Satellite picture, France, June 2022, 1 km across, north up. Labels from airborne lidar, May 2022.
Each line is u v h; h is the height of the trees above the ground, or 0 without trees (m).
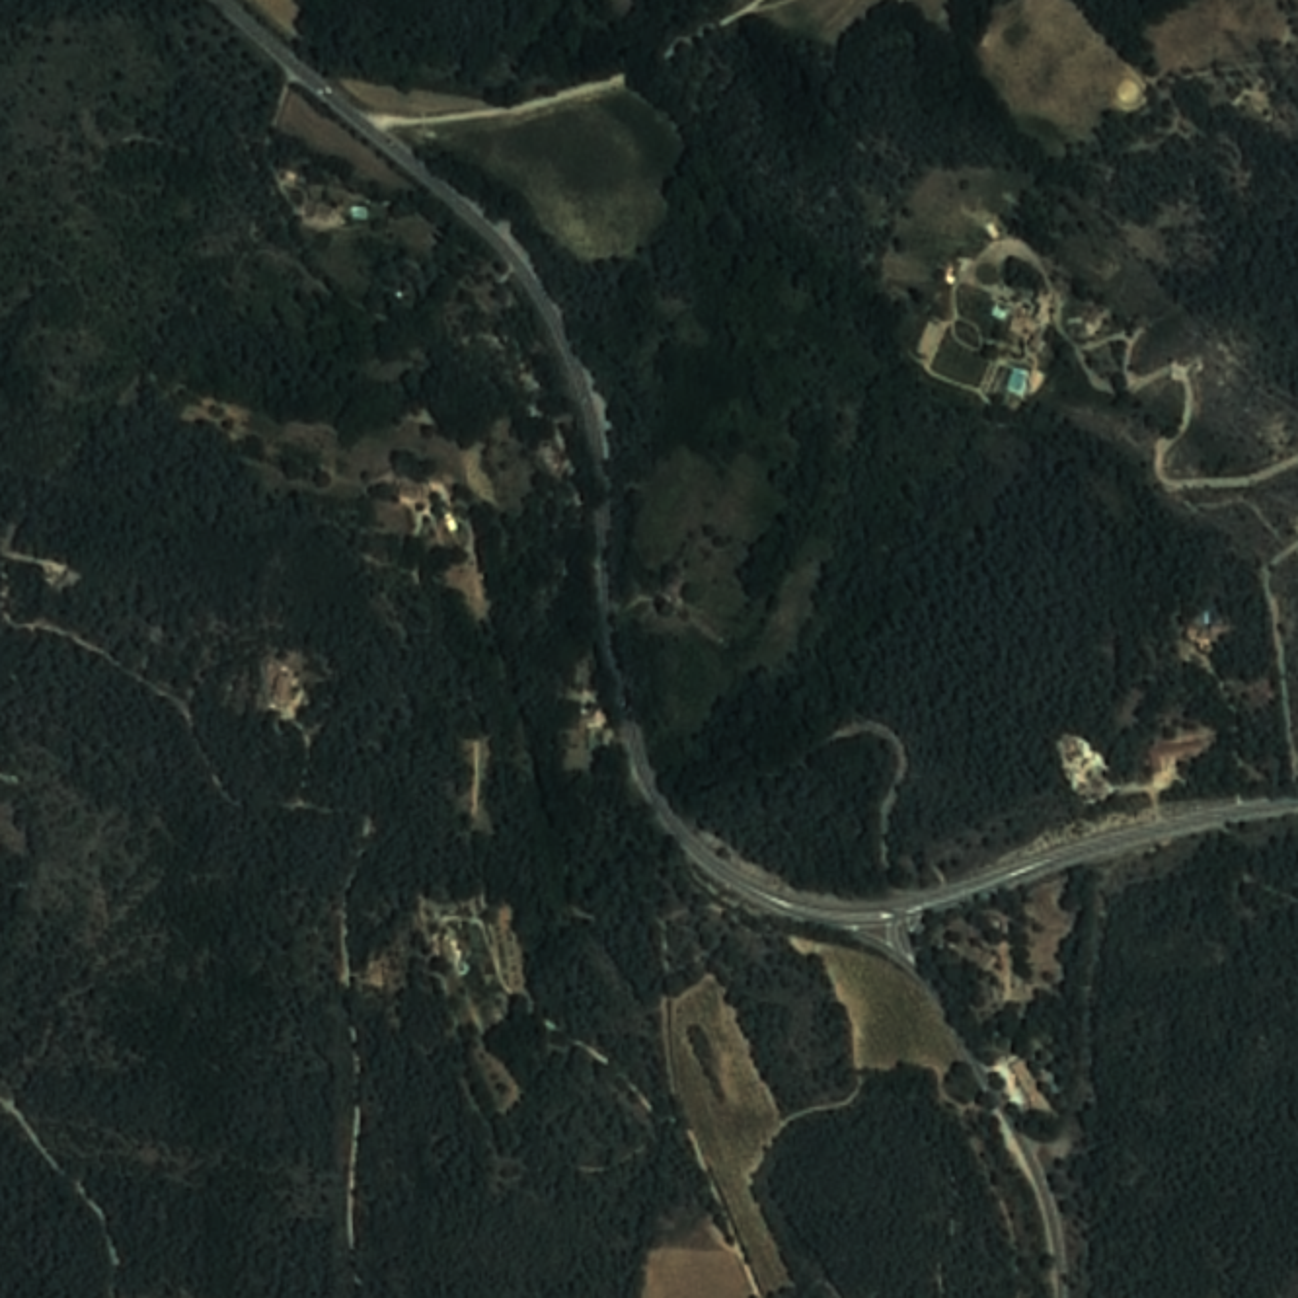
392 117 0
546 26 7
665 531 0
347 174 14
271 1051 10
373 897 16
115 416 15
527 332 8
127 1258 10
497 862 15
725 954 10
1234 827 9
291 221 7
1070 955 11
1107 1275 11
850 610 7
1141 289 0
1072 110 0
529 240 15
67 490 8
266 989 7
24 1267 7
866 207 10
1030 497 11
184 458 15
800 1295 11
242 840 16
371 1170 5
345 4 18
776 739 19
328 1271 13
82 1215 14
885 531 14
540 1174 10
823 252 15
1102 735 8
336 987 7
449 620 9
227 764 15
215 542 8
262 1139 14
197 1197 15
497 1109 9
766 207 19
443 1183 13
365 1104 13
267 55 0
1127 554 16
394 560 6
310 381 19
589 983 11
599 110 0
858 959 0
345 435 7
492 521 15
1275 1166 11
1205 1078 10
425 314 16
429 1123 17
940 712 11
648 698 12
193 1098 10
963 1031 9
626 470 10
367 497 7
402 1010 14
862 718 7
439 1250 14
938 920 18
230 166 11
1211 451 0
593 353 14
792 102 24
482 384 18
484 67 17
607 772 12
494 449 8
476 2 17
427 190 12
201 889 7
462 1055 18
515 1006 13
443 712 17
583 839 8
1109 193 10
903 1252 10
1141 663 16
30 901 11
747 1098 0
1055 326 9
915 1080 10
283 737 9
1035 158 13
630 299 11
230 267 11
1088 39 0
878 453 9
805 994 8
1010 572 14
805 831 17
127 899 6
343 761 16
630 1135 14
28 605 7
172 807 12
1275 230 10
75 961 6
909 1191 13
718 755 15
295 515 23
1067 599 12
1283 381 12
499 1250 8
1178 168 10
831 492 6
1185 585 16
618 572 15
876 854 12
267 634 6
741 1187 0
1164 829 0
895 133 18
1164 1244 9
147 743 14
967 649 13
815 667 7
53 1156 6
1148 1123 12
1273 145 9
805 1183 10
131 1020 8
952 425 11
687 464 0
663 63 20
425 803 17
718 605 0
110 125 12
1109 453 18
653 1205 15
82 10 19
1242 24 0
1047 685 6
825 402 9
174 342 21
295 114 0
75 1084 14
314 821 9
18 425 6
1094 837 0
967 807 9
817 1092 7
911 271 0
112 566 10
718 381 6
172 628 13
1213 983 11
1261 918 9
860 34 20
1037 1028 14
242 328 20
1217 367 0
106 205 7
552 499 7
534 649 18
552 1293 13
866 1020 0
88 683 15
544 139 0
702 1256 0
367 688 18
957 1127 12
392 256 7
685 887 8
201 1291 8
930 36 22
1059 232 12
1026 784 11
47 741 15
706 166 22
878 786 7
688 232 10
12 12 17
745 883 0
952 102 16
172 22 20
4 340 10
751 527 0
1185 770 7
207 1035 10
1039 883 0
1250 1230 12
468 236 12
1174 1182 11
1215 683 12
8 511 9
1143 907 12
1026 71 0
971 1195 13
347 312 13
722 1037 0
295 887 17
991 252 0
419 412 9
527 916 21
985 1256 13
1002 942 16
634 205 0
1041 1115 19
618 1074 17
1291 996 9
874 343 7
